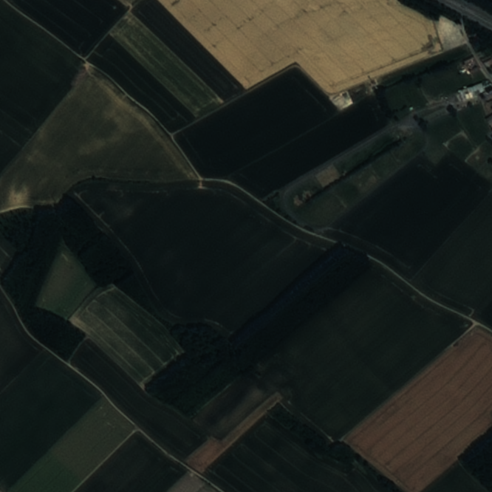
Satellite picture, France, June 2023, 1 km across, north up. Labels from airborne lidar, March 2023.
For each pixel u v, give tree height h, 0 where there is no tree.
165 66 0
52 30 0
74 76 0
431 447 0
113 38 0
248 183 0
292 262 0
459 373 0
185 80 0
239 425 0
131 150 0
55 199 0
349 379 0
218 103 0
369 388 0
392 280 0
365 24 0
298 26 0
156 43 0
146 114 0
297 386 0
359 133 0
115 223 0
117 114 0
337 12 0
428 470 0
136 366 0
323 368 0
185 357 16
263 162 0
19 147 0
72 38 0
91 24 0
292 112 0
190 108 0
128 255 0
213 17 0
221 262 0
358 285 0
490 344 0
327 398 0
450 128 0
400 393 0
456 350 0
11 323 0
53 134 0
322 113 0
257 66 0
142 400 0
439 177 0
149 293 0
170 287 0
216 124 0
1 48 0
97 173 0
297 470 0
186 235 0
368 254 0
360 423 0
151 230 0
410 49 0
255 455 0
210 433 0
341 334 0
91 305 0
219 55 0
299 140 0
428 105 0
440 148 0
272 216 0
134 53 0
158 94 0
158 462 0
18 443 0
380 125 0
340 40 0
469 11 0
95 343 0
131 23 0
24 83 0
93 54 0
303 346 0
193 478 0
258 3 0
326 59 0
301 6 0
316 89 0
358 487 0
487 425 0
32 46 0
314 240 0
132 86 0
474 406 0
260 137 0
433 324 0
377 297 0
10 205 0
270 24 0
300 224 0
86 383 0
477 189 0
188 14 0
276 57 0
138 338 0
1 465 0
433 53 0
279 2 0
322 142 0
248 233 0
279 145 0
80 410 0
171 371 16
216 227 0
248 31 0
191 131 0
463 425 0
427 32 0
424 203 0
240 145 0
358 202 0
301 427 11
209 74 0
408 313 0
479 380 0
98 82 0
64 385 0
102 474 0
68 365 0
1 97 0
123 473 0
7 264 0
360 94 0
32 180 0
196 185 0
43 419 0
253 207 0
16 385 0
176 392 14
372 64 0
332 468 0
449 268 0
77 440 0
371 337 0
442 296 0
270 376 0
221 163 0
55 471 0
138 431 0
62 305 0
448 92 0
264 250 0
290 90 0
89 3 0
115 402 0
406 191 0
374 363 0
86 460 0
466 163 0
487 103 0
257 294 0
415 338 0
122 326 0
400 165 0
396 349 0
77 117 0
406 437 0
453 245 0
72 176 0
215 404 0
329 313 0
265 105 0
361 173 0
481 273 0
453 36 0
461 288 0
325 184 0
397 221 0
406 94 0
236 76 0
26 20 0
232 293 0
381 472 0
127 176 0
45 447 0
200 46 0
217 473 0
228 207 0
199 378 20
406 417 0
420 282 0
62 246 0
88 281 0
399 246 0
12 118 0
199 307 0
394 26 0
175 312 0
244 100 0
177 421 0
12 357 0
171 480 0
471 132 0
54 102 0
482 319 0
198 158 0
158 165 0
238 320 0
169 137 0
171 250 0
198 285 0
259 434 0
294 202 0
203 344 11
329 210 0
